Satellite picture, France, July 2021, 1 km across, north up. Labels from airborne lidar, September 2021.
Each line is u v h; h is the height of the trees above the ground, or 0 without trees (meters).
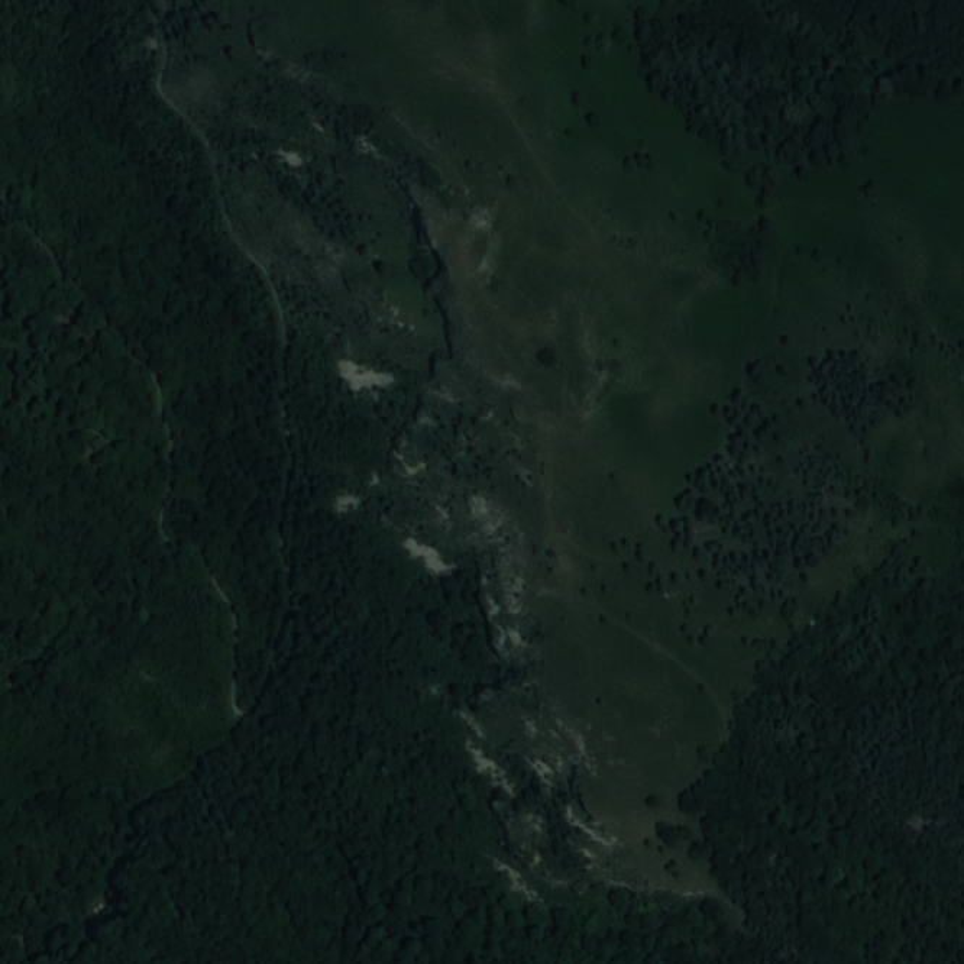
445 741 8
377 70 0
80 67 21
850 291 0
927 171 0
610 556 0
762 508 7
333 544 14
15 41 19
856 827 23
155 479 26
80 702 10
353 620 14
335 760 15
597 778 0
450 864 8
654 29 15
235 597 10
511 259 0
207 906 20
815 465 11
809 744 23
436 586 8
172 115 9
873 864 28
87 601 37
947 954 18
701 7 26
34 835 16
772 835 27
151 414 11
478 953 8
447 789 8
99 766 9
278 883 27
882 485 10
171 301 20
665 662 0
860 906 26
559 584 0
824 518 9
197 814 19
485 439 0
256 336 20
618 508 0
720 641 0
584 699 0
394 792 7
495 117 0
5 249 25
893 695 19
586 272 0
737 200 0
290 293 6
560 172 0
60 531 7
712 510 20
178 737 14
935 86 23
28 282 29
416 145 0
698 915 17
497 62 0
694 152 0
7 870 31
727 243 16
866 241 0
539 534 0
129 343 18
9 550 7
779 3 13
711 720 0
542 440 0
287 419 9
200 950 21
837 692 22
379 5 0
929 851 19
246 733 16
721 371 0
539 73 0
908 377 6
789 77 9
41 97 17
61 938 30
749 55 32
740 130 29
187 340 12
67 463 24
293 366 13
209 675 9
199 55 9
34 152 13
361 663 13
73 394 27
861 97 22
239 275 7
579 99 18
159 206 13
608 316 0
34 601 18
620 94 0
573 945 18
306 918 19
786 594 17
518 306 0
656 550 0
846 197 0
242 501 25
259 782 22
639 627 0
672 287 0
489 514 0
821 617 12
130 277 25
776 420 9
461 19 0
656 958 21
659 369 0
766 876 16
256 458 22
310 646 12
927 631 9
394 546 6
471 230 0
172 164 17
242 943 17
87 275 27
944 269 0
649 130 0
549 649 0
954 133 0
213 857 14
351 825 11
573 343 0
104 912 8
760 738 31
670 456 0
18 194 30
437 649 8
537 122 0
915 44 9
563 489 0
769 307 0
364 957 30
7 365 6
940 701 10
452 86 0
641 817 0
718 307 0
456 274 0
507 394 0
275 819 25
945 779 18
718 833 13
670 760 0
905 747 20
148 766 7
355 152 9
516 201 0
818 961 15
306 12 0
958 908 13
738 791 24
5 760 8
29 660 38
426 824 8
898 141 0
